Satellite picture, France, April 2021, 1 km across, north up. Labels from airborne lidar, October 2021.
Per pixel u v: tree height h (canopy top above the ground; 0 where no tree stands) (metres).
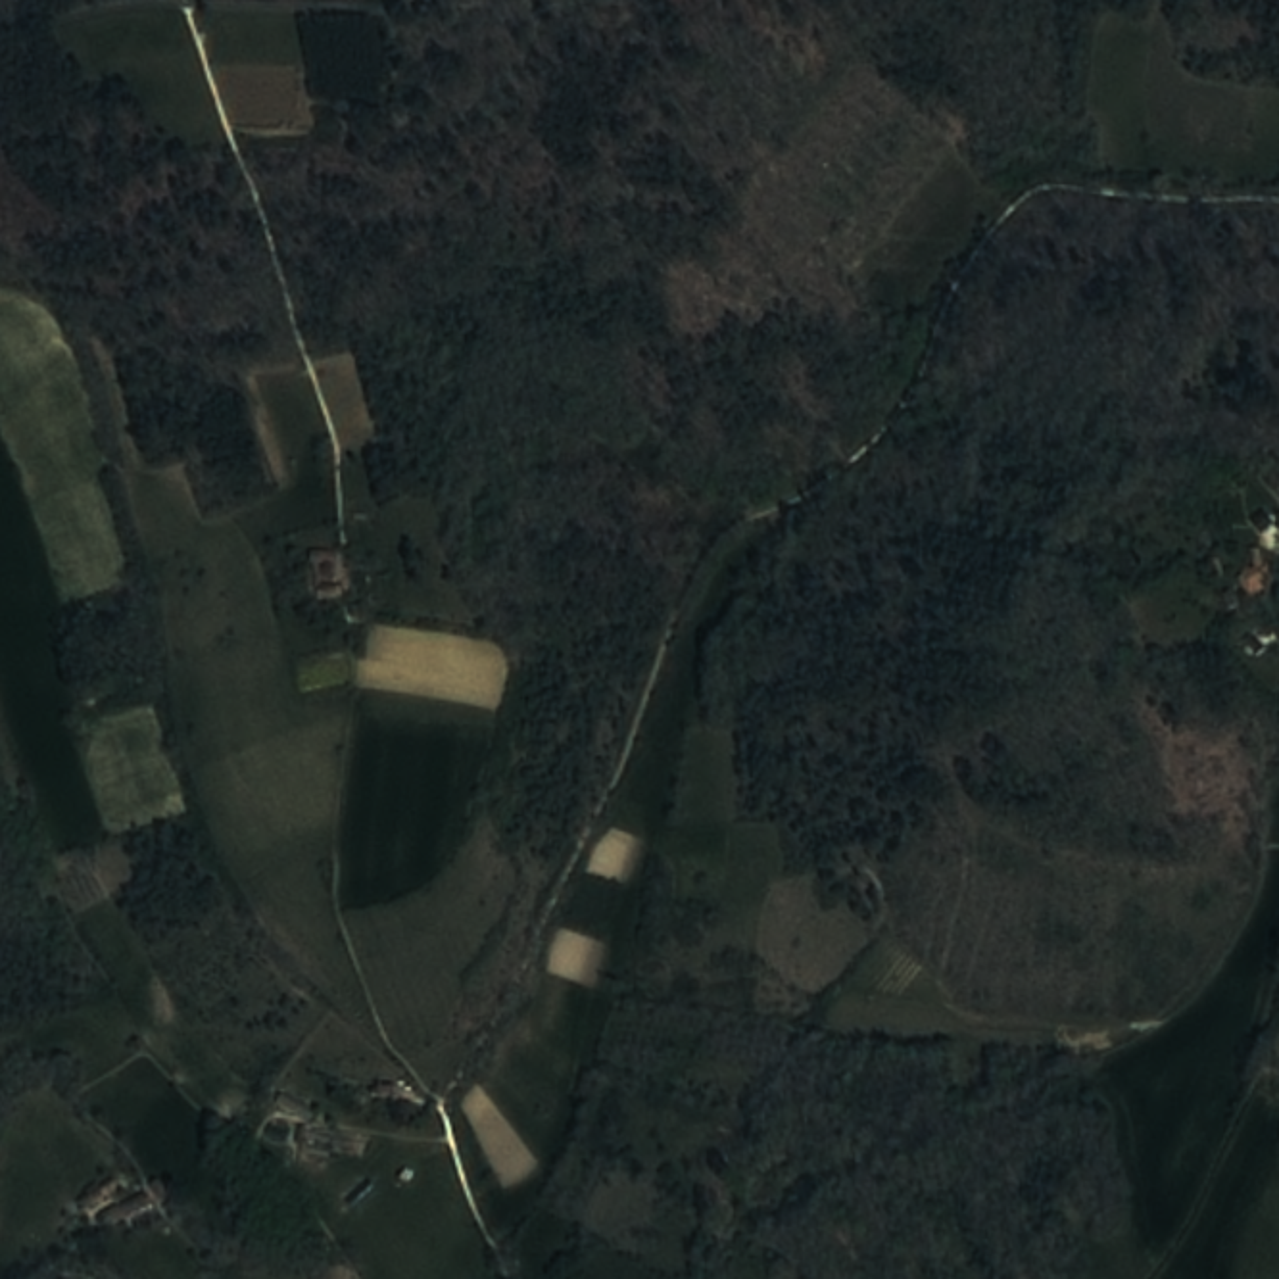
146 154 8
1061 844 16
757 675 19
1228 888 0
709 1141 0
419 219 17
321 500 0
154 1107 0
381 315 16
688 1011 9
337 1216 0
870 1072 18
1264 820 14
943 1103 20
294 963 13
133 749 0
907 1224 19
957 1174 20
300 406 0
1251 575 0
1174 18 21
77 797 0
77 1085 15
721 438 17
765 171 16
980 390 22
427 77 21
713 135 18
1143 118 0
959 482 14
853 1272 22
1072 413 21
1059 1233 13
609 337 19
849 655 24
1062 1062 19
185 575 8
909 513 9
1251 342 14
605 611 23
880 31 15
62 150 22
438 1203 0
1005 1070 18
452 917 0
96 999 9
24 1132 0
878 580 21
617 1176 8
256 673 0
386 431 12
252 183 17
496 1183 10
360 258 24
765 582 16
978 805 21
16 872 24
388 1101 6
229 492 10
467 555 18
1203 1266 0
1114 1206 23
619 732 13
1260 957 0
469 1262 0
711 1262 12
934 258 0
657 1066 11
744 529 15
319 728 0
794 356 22
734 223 12
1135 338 17
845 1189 23
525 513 24
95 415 17
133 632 20
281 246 17
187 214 15
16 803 18
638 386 17
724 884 0
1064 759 19
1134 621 22
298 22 8
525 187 8
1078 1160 18
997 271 26
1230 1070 0
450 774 0
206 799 0
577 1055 0
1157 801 20
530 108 11
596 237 19
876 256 0
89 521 0
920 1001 0
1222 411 13
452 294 19
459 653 0
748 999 0
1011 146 22
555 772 11
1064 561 13
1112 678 22
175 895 15
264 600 0
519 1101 0
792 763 13
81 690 23
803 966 0
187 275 12
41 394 0
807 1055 14
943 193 0
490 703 0
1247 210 11
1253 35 7
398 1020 0
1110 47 0
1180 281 29
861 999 0
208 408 14
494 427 24
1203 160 0
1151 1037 0
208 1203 0
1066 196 17
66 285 24
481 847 0
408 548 13
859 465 6
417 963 0
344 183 10
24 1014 22
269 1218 20
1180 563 7
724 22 12
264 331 21
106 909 0
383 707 0
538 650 16
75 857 16
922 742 11
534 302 23
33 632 0
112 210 26
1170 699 20
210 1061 0
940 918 0
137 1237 7
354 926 0
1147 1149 0
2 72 26
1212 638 8
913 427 15
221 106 0
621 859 0
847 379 21
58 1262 16
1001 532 13
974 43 19
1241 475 8
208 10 13
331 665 0
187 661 9
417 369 12
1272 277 11
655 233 19
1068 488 16
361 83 11
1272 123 0
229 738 0
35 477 0
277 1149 0
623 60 9
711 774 0
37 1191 0
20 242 9
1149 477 22
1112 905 0
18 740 0
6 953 24
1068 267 26
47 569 0
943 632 22
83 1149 0
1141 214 11
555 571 26
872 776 9
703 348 13
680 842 0
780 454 13
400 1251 0
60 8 24
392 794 0
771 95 26
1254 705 21
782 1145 22
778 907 0
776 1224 14
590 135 19
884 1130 14
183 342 17
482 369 23
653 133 14
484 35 14
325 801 0
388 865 0
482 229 17
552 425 26
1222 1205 0
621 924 0
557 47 14
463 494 21
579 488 19
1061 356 19
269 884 0
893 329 21
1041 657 22
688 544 18
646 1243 10
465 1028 6
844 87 11
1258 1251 0
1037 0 8
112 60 0
